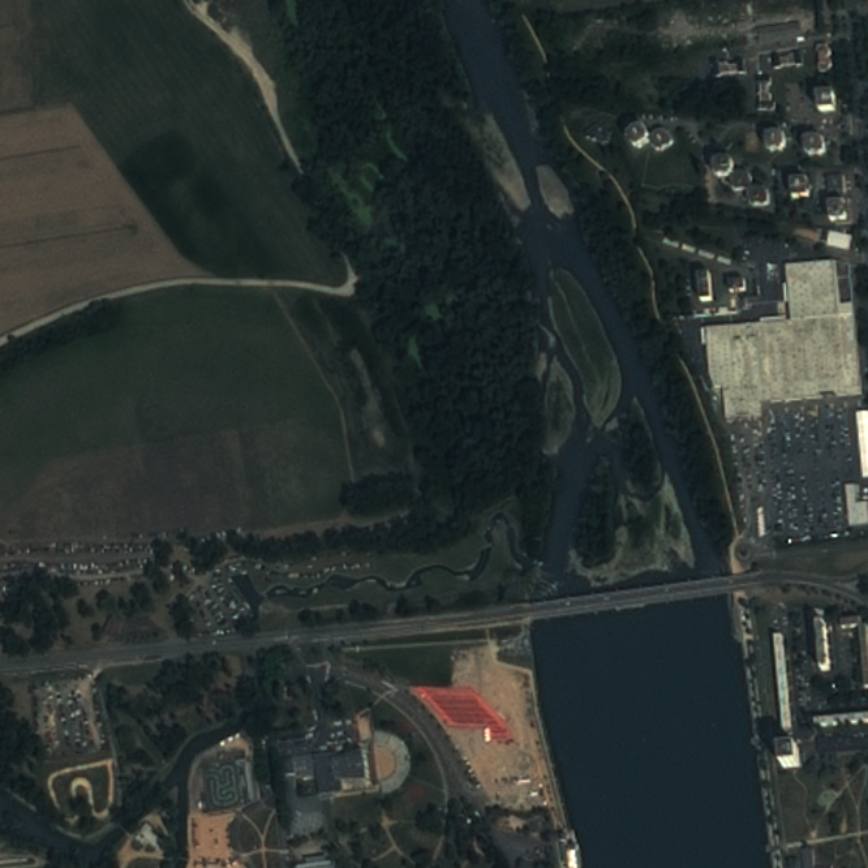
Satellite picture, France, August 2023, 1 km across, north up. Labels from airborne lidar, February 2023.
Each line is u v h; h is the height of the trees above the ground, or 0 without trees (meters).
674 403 23
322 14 21
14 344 7
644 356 12
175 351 0
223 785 0
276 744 0
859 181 8
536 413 31
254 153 0
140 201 0
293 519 0
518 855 0
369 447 0
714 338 0
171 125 0
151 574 18
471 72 0
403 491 29
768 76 0
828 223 0
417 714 0
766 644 0
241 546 16
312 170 22
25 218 0
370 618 19
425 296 19
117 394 0
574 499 0
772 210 0
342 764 0
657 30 0
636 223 0
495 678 0
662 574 0
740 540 0
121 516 0
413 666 0
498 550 0
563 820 0
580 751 0
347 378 0
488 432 31
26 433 0
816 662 0
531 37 0
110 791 0
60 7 0
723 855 0
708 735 0
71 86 0
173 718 10
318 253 0
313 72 9
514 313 24
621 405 0
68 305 0
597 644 0
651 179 0
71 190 0
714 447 0
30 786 21
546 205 0
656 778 0
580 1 0
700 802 0
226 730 0
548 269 0
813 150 0
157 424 0
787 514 0
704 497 30
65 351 0
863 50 17
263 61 0
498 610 0
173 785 0
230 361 0
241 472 0
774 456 0
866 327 14
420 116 21
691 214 17
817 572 0
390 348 16
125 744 14
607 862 0
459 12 0
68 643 14
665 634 0
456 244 19
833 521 0
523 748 0
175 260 0
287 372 0
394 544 27
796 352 0
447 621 0
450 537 27
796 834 0
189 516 0
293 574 0
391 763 0
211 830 0
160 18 0
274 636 0
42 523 0
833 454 0
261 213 0
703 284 0
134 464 0
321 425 0
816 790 0
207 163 0
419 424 19
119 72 0
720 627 0
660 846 0
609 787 0
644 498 0
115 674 0
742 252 8
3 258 0
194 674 19
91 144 0
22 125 0
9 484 0
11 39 0
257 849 0
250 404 0
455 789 0
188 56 0
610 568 0
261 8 0
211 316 0
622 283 21
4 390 0
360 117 22
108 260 0
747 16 0
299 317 0
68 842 0
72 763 0
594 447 0
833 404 0
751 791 0
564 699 0
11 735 29
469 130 0
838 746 0
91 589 0
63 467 0
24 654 22
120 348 0
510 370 25
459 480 17
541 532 0
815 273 0
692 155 0
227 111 0
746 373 0
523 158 0
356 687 0
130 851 0
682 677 0
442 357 30
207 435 0
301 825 0
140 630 0
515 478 27
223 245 0
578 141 0
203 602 0
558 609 0
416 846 0
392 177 27
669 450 0
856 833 0
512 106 0
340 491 0
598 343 0
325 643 0
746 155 0
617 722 0
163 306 0
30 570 0
